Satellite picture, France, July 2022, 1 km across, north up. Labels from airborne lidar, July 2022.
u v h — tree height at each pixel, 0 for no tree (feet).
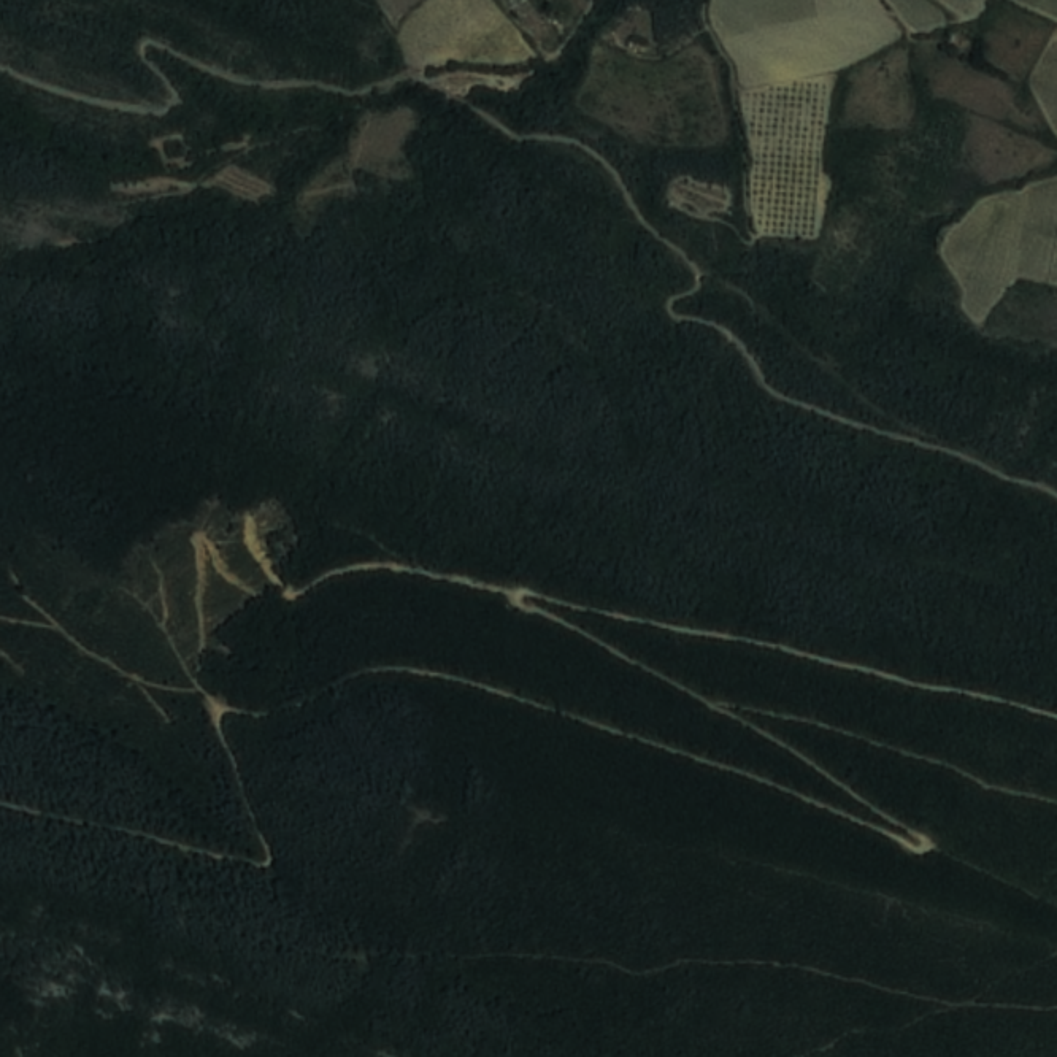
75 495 45
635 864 29
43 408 40
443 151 24
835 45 0
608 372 17
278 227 38
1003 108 0
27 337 28
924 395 37
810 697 19
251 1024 22
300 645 29
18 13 29
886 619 32
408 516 20
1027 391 27
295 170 26
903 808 23
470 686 29
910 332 24
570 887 29
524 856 28
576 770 24
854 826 24
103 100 0
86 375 25
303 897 30
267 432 22
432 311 49
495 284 27
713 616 39
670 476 30
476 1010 48
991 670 29
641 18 0
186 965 29
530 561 38
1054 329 0
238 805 39
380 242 24
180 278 25
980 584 31
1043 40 0
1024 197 0
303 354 21
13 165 59
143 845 45
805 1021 32
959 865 23
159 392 34
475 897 33
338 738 31
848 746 22
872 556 40
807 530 22
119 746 52
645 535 29
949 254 0
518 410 28
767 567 22
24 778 56
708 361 23
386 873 22
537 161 33
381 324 26
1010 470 24
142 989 27
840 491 38
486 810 29
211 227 36
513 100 43
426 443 20
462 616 27
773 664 19
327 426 21
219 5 21
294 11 43
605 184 23
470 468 26
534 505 30
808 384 31
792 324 27
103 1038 22
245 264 31
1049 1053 20
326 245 33
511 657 24
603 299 27
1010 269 0
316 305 27
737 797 27
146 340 37
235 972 39
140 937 29
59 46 23
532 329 30
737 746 26
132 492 38
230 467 33
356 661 24
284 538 46
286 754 31
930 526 43
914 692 26
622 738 31
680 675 18
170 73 24
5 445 31
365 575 24
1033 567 26
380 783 31
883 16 0
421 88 38
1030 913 24
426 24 0
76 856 43
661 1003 24
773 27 0
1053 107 0
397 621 23
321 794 32
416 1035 43
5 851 51
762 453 24
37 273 26
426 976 40
